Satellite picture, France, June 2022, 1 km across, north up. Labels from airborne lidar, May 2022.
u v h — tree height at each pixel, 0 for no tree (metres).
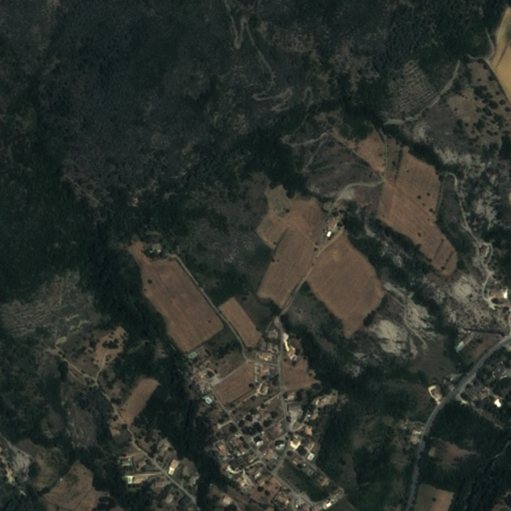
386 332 0
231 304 0
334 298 0
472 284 0
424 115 7
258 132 10
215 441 7
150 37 6
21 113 8
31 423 11
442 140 0
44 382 6
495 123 8
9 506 18
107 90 8
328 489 7
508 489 16
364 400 7
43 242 8
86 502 0
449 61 7
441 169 8
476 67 0
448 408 13
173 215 15
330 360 12
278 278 0
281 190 0
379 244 6
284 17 7
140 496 19
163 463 8
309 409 9
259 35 8
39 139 12
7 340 6
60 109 9
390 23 6
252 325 0
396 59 21
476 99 8
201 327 0
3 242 6
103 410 10
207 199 7
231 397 0
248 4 9
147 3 6
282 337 0
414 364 0
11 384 11
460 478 10
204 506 18
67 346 0
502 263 6
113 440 8
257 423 7
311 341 10
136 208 10
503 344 0
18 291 7
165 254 12
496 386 14
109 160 12
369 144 0
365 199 0
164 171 10
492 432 8
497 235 10
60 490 0
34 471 7
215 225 6
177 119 7
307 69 7
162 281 0
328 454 10
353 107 11
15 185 6
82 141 8
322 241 0
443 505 0
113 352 0
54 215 6
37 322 0
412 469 10
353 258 0
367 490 7
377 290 0
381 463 8
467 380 0
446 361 0
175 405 12
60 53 5
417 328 0
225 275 6
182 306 0
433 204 0
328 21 8
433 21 10
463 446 9
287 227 0
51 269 7
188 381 13
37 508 13
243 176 11
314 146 5
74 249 12
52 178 11
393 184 0
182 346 0
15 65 9
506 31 0
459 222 6
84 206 11
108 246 6
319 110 8
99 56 8
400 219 0
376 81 10
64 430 7
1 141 6
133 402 0
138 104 7
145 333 8
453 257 0
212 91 10
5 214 8
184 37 8
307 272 0
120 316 15
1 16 5
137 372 7
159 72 8
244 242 0
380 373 9
